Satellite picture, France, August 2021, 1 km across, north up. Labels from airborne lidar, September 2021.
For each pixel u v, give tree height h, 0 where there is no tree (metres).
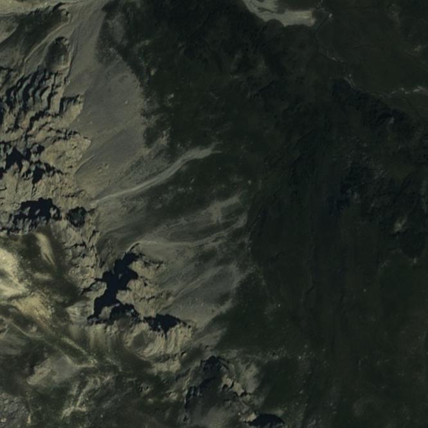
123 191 0
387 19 0
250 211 0
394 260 0
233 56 6
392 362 0
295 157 0
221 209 0
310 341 0
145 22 0
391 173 0
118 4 0
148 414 0
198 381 0
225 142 0
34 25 0
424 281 0
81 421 0
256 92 0
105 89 0
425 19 0
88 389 0
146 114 0
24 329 0
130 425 0
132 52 0
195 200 0
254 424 0
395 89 0
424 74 0
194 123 0
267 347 0
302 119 0
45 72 0
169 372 0
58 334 0
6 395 0
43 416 0
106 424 0
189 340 0
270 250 0
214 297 0
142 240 0
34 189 0
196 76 0
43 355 0
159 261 0
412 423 0
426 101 0
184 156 0
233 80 0
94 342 0
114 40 0
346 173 0
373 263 0
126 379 0
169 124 0
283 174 0
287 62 0
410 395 0
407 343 0
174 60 0
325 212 0
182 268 0
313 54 0
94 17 0
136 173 0
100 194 0
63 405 0
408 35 0
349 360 0
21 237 0
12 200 0
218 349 0
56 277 0
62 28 0
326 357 0
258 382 0
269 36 0
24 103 0
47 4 0
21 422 0
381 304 0
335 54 0
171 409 0
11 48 0
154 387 0
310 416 0
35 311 0
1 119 0
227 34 0
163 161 0
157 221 0
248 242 0
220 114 0
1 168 0
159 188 0
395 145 0
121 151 0
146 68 0
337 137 0
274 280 0
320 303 0
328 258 0
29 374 0
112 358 0
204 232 0
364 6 0
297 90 0
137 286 0
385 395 0
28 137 0
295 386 0
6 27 0
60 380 0
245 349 0
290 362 0
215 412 0
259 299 0
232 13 7
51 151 0
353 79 0
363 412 0
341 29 0
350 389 0
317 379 0
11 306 0
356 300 0
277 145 0
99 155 0
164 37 0
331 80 0
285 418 0
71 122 0
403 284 0
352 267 0
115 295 0
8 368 0
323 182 0
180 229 0
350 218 0
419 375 0
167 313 0
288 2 0
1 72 0
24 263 0
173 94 0
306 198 0
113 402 0
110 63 0
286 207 0
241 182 0
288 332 0
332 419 0
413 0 0
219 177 0
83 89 0
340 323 0
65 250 0
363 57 0
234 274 0
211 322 0
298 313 0
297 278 0
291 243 0
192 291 0
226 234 0
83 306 0
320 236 0
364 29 0
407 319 0
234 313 0
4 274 0
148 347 0
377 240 0
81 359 0
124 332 0
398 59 0
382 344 0
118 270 0
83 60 0
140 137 0
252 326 0
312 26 0
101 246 0
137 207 0
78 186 0
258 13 0
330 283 0
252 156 0
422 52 0
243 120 0
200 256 0
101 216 0
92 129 0
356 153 0
